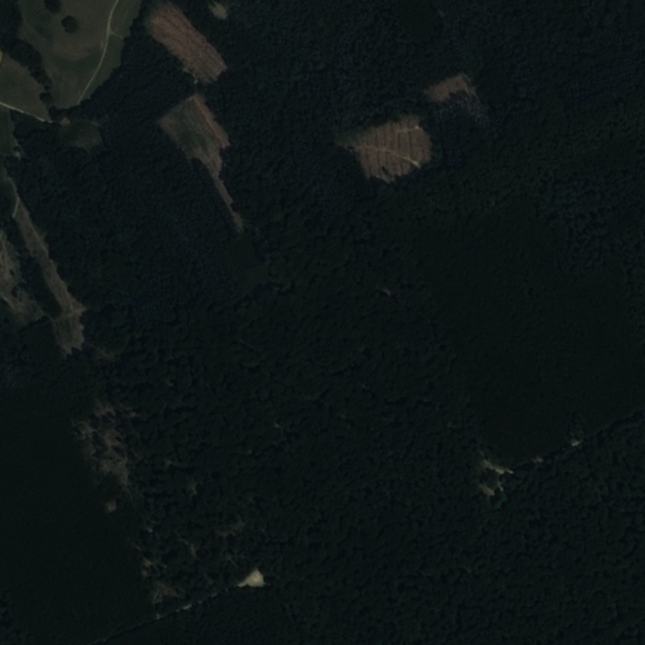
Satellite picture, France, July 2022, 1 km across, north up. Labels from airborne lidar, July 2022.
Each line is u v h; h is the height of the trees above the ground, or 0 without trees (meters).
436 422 29
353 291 30
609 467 29
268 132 23
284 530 30
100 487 10
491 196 29
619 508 28
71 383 16
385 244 29
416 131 0
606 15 31
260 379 28
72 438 10
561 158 26
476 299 19
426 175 24
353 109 27
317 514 32
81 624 14
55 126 12
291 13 13
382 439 30
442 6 23
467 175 29
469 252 22
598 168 18
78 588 15
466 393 23
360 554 29
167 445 30
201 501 28
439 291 21
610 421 17
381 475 32
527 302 25
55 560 14
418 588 26
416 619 24
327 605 30
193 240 22
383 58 27
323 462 32
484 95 9
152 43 23
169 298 18
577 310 20
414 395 29
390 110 32
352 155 24
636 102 30
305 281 28
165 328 33
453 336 23
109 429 30
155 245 18
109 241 19
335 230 30
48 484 15
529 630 29
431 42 7
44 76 17
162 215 19
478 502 25
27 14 0
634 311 21
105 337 33
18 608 16
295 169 26
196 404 28
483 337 18
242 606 17
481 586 29
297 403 32
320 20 26
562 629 30
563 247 21
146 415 30
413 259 25
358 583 30
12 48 20
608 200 31
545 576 28
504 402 20
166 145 18
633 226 26
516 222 20
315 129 21
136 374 29
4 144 0
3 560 18
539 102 33
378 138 0
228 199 0
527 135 30
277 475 27
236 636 14
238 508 24
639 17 29
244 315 29
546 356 25
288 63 21
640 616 31
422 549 25
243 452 23
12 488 16
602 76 26
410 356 34
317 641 25
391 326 30
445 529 26
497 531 32
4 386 21
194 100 0
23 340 14
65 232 26
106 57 0
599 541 33
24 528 17
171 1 29
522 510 31
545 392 20
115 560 17
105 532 13
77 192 12
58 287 0
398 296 31
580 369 18
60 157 15
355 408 31
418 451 30
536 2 24
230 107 20
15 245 26
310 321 31
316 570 31
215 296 27
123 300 17
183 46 0
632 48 30
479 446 26
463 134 34
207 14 22
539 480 28
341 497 28
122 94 17
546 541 27
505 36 25
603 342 17
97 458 10
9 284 0
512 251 20
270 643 20
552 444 18
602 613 31
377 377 34
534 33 22
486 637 26
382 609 27
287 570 28
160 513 31
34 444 13
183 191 21
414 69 26
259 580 0
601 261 28
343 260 28
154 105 22
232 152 21
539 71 27
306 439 28
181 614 13
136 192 23
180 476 29
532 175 25
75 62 0
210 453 24
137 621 9
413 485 28
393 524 28
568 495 33
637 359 17
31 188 28
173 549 28
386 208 32
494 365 20
